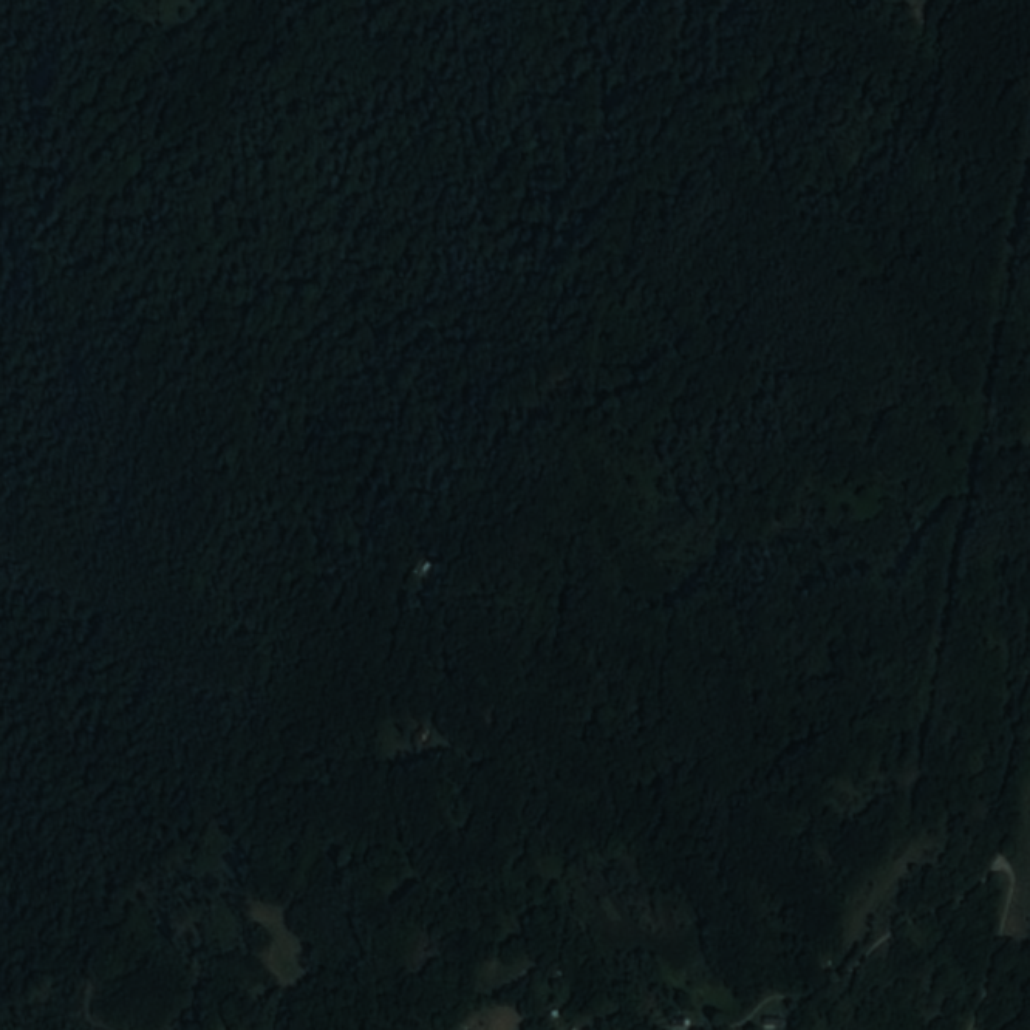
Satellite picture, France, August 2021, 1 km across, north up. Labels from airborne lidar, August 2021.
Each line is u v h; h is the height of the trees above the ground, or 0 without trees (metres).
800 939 13
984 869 10
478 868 19
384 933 16
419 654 23
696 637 27
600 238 27
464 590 19
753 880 21
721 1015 24
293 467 27
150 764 28
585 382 25
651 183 34
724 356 21
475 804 20
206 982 12
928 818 15
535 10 26
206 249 29
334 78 22
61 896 25
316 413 18
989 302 15
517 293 31
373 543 32
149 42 20
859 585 28
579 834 14
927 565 22
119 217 16
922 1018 7
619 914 0
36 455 26
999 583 10
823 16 31
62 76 22
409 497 30
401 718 23
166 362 27
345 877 18
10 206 24
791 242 26
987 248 26
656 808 13
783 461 30
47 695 29
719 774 23
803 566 11
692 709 20
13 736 26
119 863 25
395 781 24
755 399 6
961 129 27
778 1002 0
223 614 18
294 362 25
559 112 32
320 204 19
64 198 27
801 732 12
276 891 19
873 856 15
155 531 20
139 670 17
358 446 30
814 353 21
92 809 20
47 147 32
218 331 27
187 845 11
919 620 21
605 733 17
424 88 18
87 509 21
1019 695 7
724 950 23
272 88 20
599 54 21
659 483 10
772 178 25
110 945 22
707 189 17
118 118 20
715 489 21
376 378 23
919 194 23
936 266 30
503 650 20
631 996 16
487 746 17
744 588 17
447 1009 14
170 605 16
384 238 29
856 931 0
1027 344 16
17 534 20
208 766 27
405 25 27
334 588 28
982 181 31
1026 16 19
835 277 25
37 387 22
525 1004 17
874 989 7
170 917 10
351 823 21
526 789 14
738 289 23
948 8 8
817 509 6
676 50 24
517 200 29
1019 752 17
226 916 0
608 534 6
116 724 32
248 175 22
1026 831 0
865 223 25
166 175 27
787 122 27
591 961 7
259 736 19
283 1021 16
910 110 22
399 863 12
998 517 21
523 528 22
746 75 31
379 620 30
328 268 19
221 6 25
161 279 29
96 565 11
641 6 25
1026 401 23
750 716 23
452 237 27
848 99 22
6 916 26
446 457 20
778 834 21
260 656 14
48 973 21
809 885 20
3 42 29
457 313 27
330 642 25
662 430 26
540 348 31
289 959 0
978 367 20
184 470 21
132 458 16
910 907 10
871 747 16
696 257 28
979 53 19
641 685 18
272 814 23
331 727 24
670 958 0
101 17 14
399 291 21
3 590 15
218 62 22
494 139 34
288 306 27
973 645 16
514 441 32
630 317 14
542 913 19
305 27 31
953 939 11
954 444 9
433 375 23
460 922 7
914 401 19
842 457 24
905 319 29
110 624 17
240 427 24
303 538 27
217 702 13
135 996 7
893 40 13
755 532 22
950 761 16
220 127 17
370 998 14
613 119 28
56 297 24
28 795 24
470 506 28
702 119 32
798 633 16
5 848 28
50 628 27
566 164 25
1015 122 26
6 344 25
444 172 24
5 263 20
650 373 30
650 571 6
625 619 24
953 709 20
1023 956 15
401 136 31
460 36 30
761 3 27
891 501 6
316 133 19
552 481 26
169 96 23
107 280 24
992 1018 15
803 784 20
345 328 25
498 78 23
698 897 18
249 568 19
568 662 22
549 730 21
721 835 18
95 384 18
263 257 25
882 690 17
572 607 25
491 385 23
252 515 23
